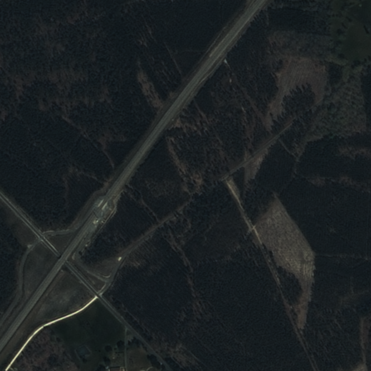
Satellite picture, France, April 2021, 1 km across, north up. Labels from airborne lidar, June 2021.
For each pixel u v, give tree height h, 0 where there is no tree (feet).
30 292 0
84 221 0
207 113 31
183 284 30
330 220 46
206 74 0
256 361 54
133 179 26
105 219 0
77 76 28
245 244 55
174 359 23
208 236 26
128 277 25
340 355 46
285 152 35
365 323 23
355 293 31
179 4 48
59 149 50
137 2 23
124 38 40
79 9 66
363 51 0
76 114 59
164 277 25
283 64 57
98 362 0
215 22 47
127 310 19
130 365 0
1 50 70
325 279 50
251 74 55
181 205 27
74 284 0
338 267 23
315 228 28
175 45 42
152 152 23
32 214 46
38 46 33
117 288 22
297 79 0
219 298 57
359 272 26
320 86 0
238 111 25
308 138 50
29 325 0
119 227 29
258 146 49
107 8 31
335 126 35
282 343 49
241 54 48
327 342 39
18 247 49
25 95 58
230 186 0
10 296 60
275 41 31
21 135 60
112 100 23
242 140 64
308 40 47
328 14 24
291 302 59
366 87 34
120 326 0
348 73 64
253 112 48
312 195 33
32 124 58
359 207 40
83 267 0
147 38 31
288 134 40
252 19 0
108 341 0
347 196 43
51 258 0
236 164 57
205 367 29
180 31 51
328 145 20
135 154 0
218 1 44
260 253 54
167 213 23
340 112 54
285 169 28
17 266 63
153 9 47
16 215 0
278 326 54
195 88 0
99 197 0
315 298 47
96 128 74
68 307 0
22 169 72
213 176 57
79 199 20
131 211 27
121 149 27
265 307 52
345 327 56
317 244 24
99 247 62
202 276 55
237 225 20
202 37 44
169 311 26
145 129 34
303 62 0
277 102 0
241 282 51
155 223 32
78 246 0
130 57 40
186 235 76
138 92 53
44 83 52
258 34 53
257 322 60
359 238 41
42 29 59
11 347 0
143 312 23
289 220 0
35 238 0
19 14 68
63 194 65
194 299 29
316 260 22
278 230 0
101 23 27
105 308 0
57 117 39
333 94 48
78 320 0
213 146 62
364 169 39
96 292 0
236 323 58
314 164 39
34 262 0
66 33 66
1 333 0
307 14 34
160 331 22
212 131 60
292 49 67
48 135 60
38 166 67
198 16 43
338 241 32
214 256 23
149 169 22
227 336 60
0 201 0
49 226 52
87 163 62
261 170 23
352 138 33
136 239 20
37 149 46
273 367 55
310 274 0
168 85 29
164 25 42
